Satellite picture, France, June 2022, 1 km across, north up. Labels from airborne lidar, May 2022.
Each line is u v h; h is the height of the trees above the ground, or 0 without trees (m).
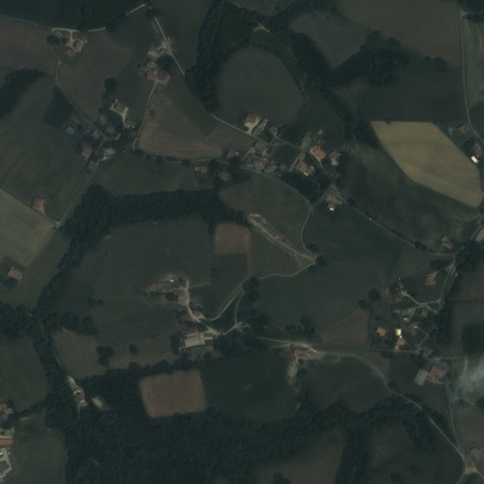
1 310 20
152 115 0
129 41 0
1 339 0
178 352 13
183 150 0
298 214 0
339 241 0
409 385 0
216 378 0
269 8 0
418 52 0
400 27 0
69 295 0
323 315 0
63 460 0
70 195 0
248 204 0
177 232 0
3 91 16
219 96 0
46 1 0
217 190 7
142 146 0
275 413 0
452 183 0
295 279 0
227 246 0
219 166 11
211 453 25
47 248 0
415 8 0
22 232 0
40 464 0
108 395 22
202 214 17
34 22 0
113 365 0
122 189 0
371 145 10
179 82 0
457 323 0
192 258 0
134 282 0
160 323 0
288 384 0
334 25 0
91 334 9
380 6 0
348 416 23
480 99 0
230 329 0
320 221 0
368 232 0
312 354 0
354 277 0
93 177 0
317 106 0
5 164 0
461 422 0
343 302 0
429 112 0
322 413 12
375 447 0
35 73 15
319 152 0
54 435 0
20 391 0
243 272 0
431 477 0
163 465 26
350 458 11
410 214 0
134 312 0
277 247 0
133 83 0
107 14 0
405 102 0
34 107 0
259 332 15
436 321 8
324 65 12
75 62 0
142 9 0
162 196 16
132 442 20
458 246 0
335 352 0
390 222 0
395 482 15
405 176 0
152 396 0
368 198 0
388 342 7
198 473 28
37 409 19
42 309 29
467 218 0
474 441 0
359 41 0
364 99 0
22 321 26
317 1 21
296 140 0
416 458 0
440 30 0
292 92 0
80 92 0
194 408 0
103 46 0
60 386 32
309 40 9
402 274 0
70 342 0
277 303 0
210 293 0
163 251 0
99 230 21
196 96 14
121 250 0
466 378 0
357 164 0
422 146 0
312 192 17
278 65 0
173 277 0
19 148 0
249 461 18
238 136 0
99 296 0
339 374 0
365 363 0
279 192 0
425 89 0
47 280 0
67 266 25
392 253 0
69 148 0
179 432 11
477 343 0
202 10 0
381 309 0
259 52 0
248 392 0
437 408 0
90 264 0
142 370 13
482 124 0
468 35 0
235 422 8
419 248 13
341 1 0
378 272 0
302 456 0
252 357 0
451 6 0
